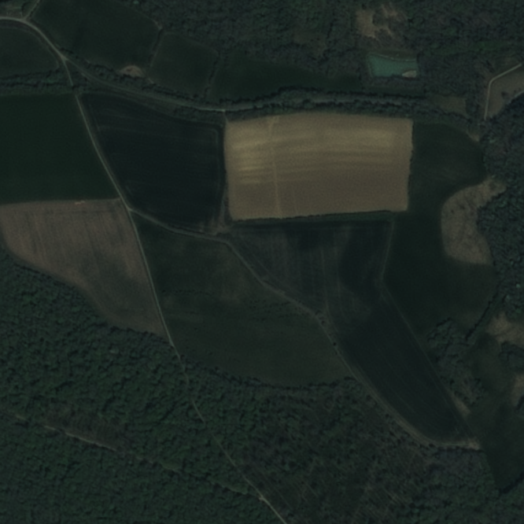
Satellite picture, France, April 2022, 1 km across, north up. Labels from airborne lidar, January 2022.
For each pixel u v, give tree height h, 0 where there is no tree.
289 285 0
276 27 21
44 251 0
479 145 0
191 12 24
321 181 0
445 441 0
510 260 22
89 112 0
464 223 0
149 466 21
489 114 0
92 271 0
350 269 0
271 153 0
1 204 0
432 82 19
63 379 15
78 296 9
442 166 0
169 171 0
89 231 0
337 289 0
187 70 0
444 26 21
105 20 0
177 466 21
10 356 14
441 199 0
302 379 0
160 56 0
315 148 0
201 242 0
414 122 13
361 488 23
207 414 18
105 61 0
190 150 0
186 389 20
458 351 19
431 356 0
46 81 7
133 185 0
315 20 12
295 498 0
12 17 0
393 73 0
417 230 0
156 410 21
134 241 0
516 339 0
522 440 0
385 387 0
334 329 0
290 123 0
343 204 0
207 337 0
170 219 0
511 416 0
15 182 0
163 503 21
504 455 0
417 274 0
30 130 0
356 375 0
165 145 0
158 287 0
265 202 0
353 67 21
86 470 20
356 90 0
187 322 0
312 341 0
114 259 0
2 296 20
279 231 0
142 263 0
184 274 0
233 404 21
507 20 21
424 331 0
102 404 24
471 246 0
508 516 24
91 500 23
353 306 0
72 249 0
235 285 0
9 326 20
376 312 0
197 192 0
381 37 17
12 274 17
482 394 20
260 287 0
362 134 0
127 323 0
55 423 0
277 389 12
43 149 0
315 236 0
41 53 0
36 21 0
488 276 0
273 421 19
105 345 22
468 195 0
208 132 0
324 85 0
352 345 0
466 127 20
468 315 0
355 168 0
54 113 0
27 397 19
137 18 0
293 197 0
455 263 0
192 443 21
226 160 0
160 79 0
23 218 0
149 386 21
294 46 12
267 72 0
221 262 0
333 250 0
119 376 20
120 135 0
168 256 0
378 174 0
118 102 0
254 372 0
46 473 19
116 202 0
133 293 0
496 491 17
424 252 0
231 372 0
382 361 0
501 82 0
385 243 0
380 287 0
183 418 21
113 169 0
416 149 0
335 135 0
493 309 8
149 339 16
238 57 0
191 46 0
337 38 14
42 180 0
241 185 0
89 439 0
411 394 0
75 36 0
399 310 0
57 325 17
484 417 0
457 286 0
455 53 20
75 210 0
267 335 0
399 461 24
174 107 0
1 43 0
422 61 17
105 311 0
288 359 0
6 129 0
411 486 22
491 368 0
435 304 0
